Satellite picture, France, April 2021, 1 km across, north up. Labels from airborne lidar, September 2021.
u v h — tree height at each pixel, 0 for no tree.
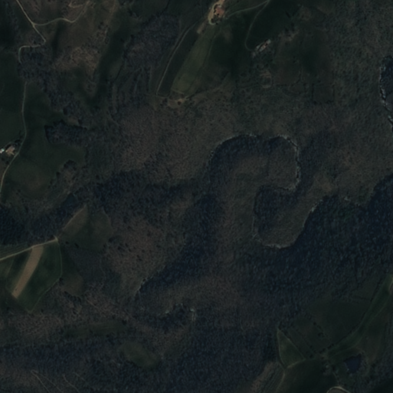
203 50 0
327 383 0
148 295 7
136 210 14
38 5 7
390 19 10
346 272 12
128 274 10
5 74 0
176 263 12
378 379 14
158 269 15
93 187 17
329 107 7
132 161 7
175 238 20
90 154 11
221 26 0
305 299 14
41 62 20
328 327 0
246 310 8
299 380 0
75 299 11
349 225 7
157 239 7
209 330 7
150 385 18
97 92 0
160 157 16
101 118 10
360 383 8
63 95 20
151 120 11
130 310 11
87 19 0
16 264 0
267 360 7
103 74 0
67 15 9
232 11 0
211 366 11
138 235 10
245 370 11
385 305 0
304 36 0
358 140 12
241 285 6
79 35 0
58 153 0
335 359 0
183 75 0
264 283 9
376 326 0
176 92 0
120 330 0
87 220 0
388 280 0
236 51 0
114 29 0
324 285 8
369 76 11
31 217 20
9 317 7
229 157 9
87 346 6
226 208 9
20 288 0
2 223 28
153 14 0
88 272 15
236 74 0
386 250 20
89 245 0
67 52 11
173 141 11
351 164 10
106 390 21
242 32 0
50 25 0
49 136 14
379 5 6
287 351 0
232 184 5
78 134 19
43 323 10
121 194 16
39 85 9
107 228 0
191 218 17
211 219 14
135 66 10
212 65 0
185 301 15
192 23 0
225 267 7
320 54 0
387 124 10
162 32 12
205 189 17
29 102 0
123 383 21
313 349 7
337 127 11
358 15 11
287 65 0
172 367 17
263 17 0
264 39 0
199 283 7
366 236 7
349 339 0
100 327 0
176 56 0
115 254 12
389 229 17
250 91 13
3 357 9
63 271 0
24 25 0
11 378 9
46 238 8
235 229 8
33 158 0
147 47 15
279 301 12
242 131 9
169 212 14
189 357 6
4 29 0
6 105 0
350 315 0
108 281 13
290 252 11
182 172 6
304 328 0
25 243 9
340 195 16
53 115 0
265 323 10
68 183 12
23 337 10
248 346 12
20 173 0
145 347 6
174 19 14
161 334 9
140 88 8
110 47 0
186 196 6
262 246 7
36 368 9
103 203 17
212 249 9
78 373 12
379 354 0
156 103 0
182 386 14
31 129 0
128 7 0
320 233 9
